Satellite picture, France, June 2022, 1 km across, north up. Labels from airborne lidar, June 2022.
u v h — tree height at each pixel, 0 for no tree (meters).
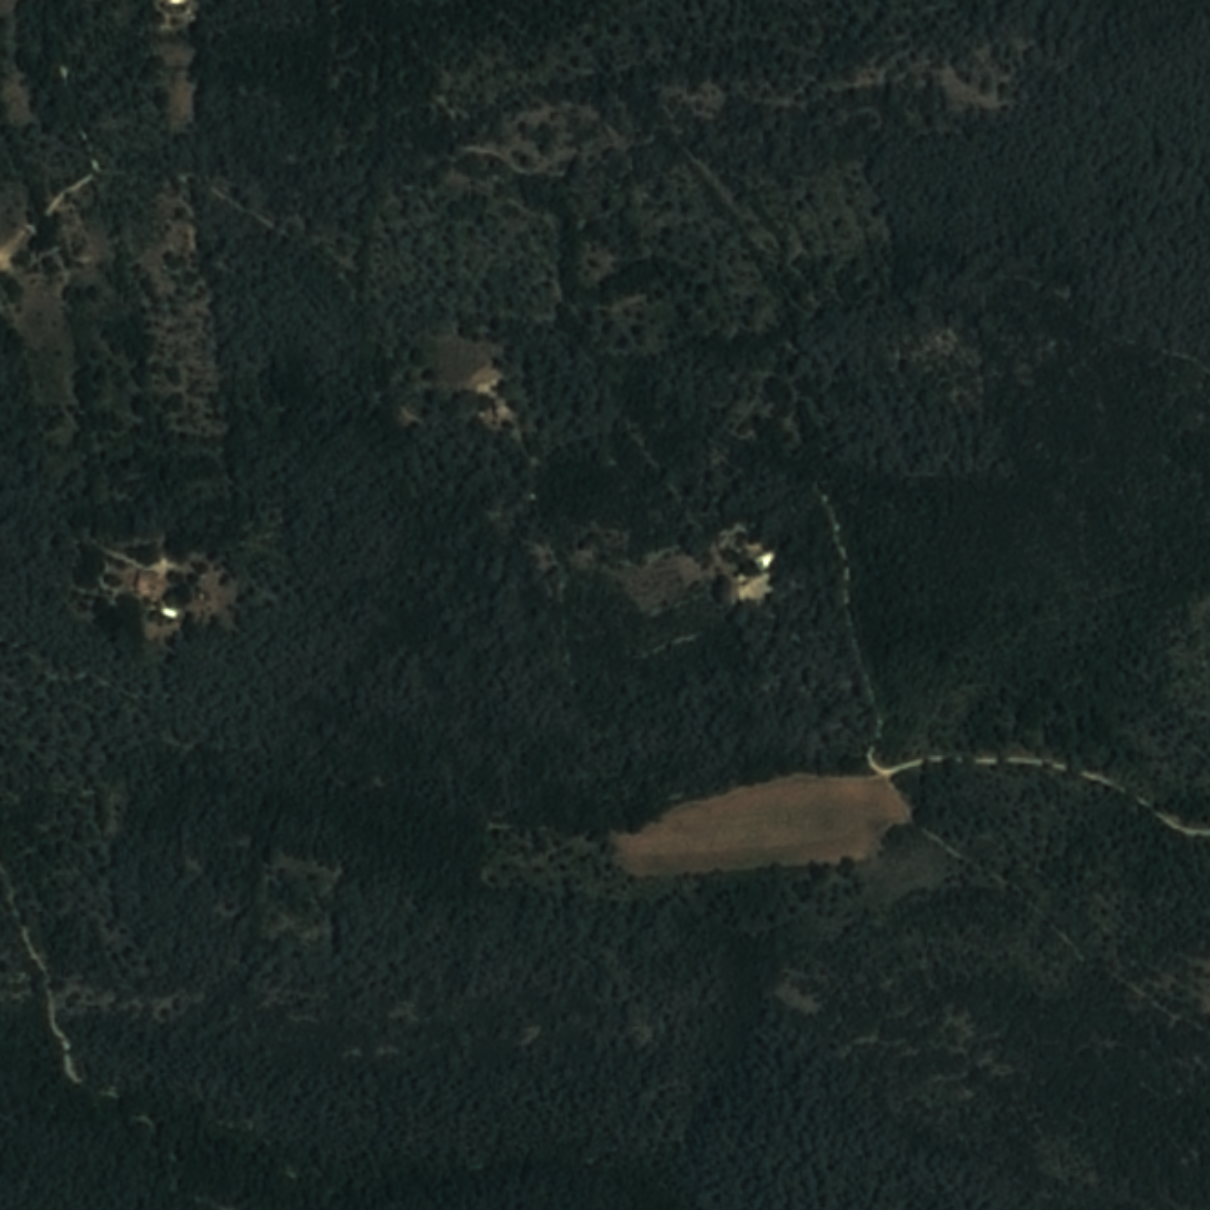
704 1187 20
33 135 14
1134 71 19
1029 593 6
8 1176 16
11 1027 9
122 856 19
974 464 16
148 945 20
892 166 20
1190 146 21
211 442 10
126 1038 18
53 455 7
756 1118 21
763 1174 20
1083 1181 9
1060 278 6
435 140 8
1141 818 12
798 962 9
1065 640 12
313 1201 15
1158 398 7
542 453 10
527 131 17
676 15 17
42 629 18
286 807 11
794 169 10
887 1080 6
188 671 16
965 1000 8
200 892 19
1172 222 22
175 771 18
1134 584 12
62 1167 17
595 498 10
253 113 18
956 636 6
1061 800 12
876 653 10
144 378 15
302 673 18
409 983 12
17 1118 18
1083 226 21
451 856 13
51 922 10
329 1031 7
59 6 18
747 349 14
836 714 25
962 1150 7
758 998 10
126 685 14
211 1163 17
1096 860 8
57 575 17
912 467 14
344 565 17
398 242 16
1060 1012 11
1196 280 20
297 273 15
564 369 19
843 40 7
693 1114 6
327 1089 20
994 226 18
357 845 15
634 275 20
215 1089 24
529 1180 15
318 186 18
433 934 19
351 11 12
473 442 20
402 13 12
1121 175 17
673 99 7
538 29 11
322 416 21
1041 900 12
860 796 0
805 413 11
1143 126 18
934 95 8
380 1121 19
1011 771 7
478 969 19
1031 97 13
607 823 10
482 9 15
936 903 9
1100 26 15
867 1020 8
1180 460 11
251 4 14
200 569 11
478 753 20
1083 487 5
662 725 18
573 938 14
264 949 11
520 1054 16
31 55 13
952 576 7
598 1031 7
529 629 7
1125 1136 9
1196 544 8
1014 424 6
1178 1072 8
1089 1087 8
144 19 10
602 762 18
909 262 14
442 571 14
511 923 16
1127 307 18
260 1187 13
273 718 17
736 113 16
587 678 5
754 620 19
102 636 20
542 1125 15
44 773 17
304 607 18
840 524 10
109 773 15
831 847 0
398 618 7
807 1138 18
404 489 9
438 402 23
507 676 18
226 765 22
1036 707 17
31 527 18
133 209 12
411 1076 18
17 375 18
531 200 10
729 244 18
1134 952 14
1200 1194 7
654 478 10
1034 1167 7
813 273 10
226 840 17
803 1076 19
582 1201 16
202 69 18
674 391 15
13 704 19
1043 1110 9
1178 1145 6
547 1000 9
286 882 21
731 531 10
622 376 17
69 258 8
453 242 19
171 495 9
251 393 6
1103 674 15
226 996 7
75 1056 16
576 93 18
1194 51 20
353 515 16
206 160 16
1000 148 17
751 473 10
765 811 0
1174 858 10
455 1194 13
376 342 12
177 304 20
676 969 17
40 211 9
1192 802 14
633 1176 15
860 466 14
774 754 13
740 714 15
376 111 10
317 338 22
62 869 11
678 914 24
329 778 18
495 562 15
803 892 7
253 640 18
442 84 6
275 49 13
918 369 16
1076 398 9
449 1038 7
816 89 15
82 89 12
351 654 18
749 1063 24
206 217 18
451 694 16
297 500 16
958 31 8
